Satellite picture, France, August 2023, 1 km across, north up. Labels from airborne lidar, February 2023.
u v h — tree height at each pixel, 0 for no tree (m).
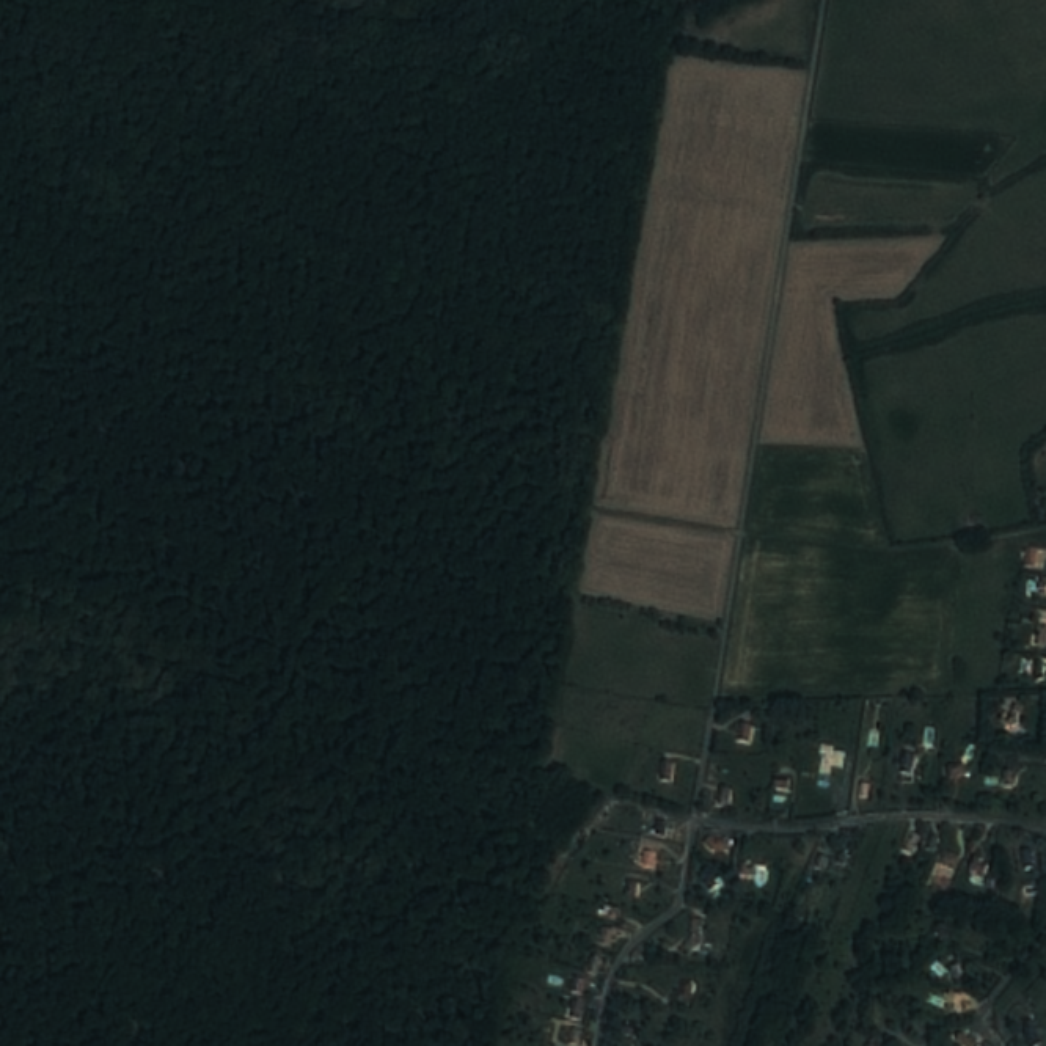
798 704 20
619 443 0
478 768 25
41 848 27
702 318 0
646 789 0
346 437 25
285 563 25
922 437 0
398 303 25
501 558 27
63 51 25
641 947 0
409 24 9
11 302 23
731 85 0
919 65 0
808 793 0
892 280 0
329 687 28
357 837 21
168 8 25
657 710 0
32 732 22
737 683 0
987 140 0
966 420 0
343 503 26
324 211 20
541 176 20
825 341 0
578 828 18
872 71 0
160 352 26
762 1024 14
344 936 24
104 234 22
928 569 0
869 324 0
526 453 25
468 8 18
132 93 25
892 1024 8
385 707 26
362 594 24
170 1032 24
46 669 12
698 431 0
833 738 0
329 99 25
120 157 22
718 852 0
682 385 0
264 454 24
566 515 23
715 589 0
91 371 23
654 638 0
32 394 23
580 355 15
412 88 24
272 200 15
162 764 23
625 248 21
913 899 16
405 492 26
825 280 0
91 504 24
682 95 0
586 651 0
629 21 24
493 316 24
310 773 15
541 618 21
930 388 0
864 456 0
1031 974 13
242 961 25
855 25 0
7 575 24
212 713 17
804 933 11
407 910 12
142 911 23
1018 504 0
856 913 0
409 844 24
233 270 25
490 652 26
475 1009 18
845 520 0
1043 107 0
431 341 24
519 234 19
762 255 0
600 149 23
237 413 28
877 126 0
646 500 0
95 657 21
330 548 26
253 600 27
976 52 0
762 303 0
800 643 0
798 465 0
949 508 0
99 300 19
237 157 23
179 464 23
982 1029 0
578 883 0
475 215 20
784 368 0
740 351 0
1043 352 0
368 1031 24
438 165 21
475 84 21
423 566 25
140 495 26
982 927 19
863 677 0
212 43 22
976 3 0
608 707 0
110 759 26
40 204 22
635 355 0
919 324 0
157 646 11
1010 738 13
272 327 22
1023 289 0
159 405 25
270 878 26
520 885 17
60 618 23
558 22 17
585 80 24
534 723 24
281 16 19
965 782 0
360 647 27
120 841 26
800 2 0
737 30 0
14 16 11
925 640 0
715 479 0
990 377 0
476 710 28
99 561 21
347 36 22
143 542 26
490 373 21
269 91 23
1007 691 6
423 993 26
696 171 0
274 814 11
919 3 0
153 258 21
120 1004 26
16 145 21
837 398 0
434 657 26
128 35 22
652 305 0
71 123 21
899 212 0
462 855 27
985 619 0
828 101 0
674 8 19
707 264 0
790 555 0
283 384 25
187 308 23
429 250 23
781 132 0
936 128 0
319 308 21
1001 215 0
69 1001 26
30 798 21
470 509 23
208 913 24
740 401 0
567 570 19
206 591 25
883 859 0
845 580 0
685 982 0
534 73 20
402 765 28
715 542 0
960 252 0
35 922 24
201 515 25
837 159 0
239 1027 21
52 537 24
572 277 17
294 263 22
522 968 0
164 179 22
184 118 21
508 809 27
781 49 0
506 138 17
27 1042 25
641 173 15
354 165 26
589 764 0
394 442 23
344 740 9
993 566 0
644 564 0
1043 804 9
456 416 24
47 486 27
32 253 22
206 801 19
